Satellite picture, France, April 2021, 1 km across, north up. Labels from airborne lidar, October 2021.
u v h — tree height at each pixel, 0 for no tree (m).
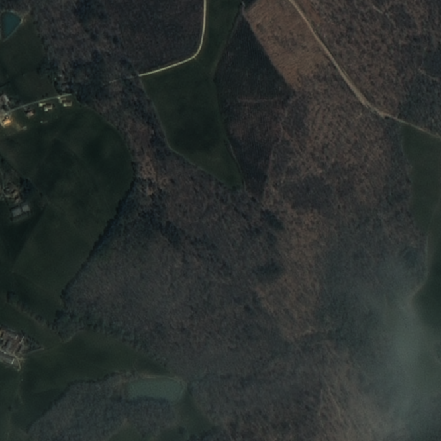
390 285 21
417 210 0
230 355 18
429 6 21
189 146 0
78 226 0
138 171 13
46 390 0
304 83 20
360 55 0
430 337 0
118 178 0
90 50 18
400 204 16
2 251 0
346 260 19
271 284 17
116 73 22
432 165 0
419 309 0
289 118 9
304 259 19
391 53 16
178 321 15
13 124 0
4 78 0
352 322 17
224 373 21
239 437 25
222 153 0
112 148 0
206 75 0
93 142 0
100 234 0
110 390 24
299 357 21
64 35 13
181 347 20
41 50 0
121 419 29
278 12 0
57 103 0
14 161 0
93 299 18
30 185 15
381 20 17
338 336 12
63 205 0
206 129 0
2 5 20
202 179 13
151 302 21
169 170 14
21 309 12
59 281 0
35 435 23
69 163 0
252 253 18
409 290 18
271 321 26
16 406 0
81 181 0
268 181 15
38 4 22
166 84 0
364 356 23
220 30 0
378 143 16
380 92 18
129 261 18
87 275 22
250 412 21
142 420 25
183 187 8
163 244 13
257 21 0
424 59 15
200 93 0
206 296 17
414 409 28
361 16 12
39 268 0
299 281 18
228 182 0
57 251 0
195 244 18
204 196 10
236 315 17
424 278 20
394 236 19
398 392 24
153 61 7
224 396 22
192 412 0
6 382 0
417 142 0
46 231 0
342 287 22
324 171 18
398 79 15
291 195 13
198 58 0
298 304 18
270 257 21
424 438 26
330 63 19
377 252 14
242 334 14
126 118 18
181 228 7
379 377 26
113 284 20
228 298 17
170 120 0
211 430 0
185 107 0
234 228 14
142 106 20
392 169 19
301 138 11
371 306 25
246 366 23
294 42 16
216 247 15
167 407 24
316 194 15
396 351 25
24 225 0
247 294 15
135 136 12
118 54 18
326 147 20
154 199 11
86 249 0
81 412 15
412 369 0
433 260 0
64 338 23
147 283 18
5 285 0
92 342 0
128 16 6
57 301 0
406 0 18
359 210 15
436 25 15
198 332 13
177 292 13
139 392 0
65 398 21
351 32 16
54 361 0
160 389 0
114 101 22
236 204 15
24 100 0
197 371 22
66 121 0
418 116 18
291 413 25
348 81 0
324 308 25
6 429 0
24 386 0
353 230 16
